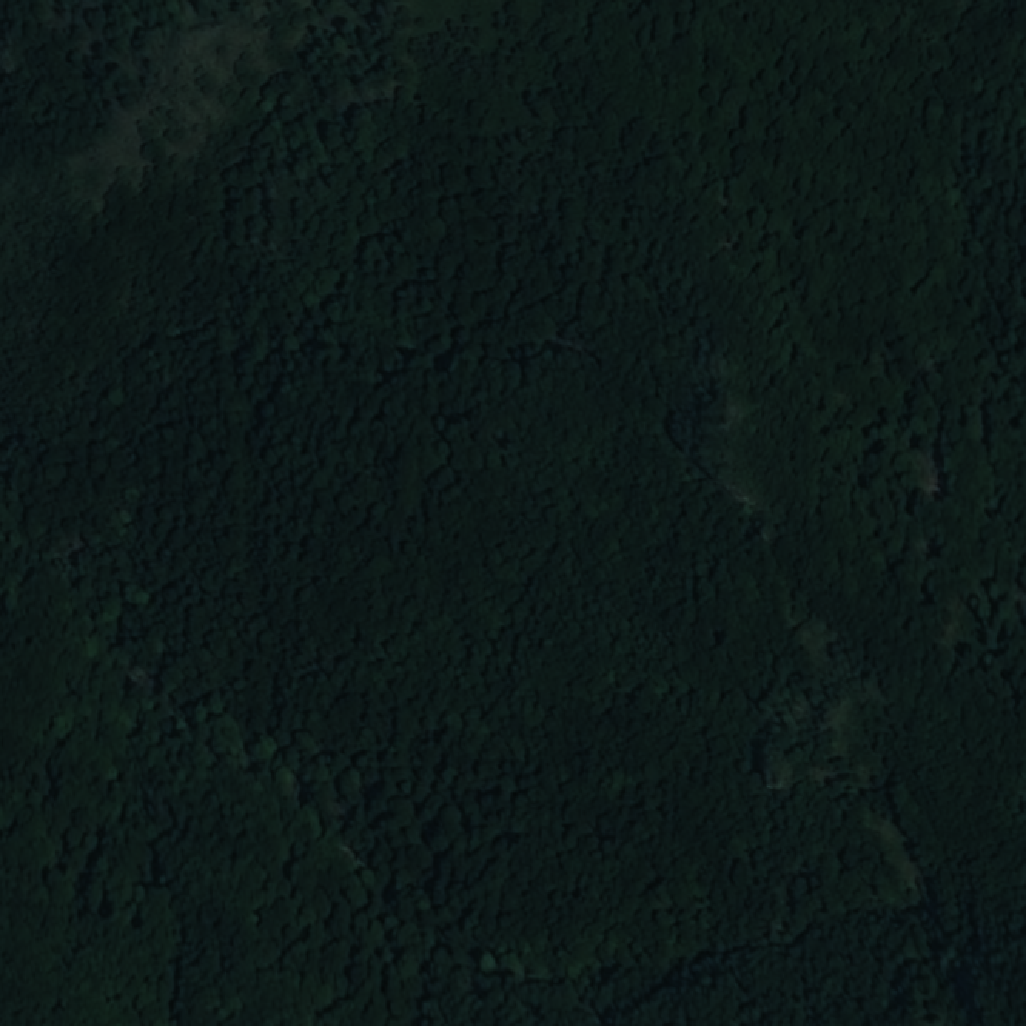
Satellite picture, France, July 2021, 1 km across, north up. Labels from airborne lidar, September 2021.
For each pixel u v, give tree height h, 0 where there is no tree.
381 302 36
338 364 32
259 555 16
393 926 32
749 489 6
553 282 22
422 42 17
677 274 17
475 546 21
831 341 29
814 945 28
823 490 31
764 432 23
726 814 17
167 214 14
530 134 14
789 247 34
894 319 31
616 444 14
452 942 30
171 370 23
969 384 34
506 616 24
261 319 25
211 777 35
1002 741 22
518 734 30
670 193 19
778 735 24
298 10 23
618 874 33
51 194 10
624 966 39
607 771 35
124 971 29
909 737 18
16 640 28
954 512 35
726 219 30
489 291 28
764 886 27
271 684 12
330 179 19
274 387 27
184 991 38
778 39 26
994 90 30
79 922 36
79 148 15
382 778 29
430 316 31
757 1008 23
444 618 21
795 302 29
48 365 15
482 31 15
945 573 32
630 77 9
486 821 21
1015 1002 29
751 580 27
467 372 36
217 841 33
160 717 33
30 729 29
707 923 30
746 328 26
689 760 28
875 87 35
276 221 21
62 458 24
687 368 9
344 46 17
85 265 19
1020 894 23
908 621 23
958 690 30
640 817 39
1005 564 38
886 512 37
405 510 29
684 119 9
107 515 21
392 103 16
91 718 31
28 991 36
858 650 14
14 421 12
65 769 35
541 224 17
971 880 23
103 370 26
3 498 27
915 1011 21
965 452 35
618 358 32
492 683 26
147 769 34
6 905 27
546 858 36
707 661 37
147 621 35
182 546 22
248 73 18
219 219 14
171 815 7
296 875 41
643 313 26
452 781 32
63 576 21
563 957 35
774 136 24
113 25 8
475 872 29
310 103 6
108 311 16
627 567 23
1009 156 24
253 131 19
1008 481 31
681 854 30
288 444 11
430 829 13
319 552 21
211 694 10
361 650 23
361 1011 36
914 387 9
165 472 9
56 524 22
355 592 32
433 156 31
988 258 23
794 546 19
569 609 21
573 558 21
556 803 35
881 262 34
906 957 30
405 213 31
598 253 31
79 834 36
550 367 38
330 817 31
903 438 32
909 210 33
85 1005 35
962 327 28
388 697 30
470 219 32
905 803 28
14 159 14
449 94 12
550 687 29
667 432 8
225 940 32
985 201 24
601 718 31
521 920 43
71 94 29
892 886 26
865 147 27
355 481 24
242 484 21
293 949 36
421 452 30
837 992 27
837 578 28
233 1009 42
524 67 6
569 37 11
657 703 24
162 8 17
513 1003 34
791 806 28
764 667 20
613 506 21
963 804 27
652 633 25
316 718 37
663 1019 28
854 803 36
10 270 7
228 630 18
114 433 26
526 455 17
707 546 15
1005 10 20
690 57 30
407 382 37
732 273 30
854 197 33
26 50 15
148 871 14
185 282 25
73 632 32
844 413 16
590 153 27
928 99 13
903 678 22
